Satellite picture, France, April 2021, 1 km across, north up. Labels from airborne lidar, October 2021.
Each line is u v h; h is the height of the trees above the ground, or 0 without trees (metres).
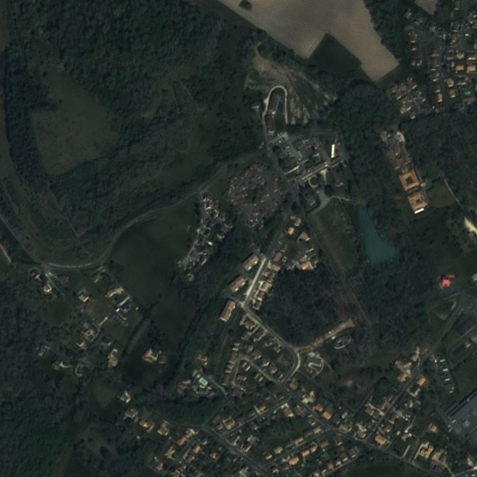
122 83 13
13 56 9
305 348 0
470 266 0
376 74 0
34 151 9
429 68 10
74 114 0
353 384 0
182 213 0
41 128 0
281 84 0
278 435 18
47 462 23
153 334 7
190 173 0
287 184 0
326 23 0
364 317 17
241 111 0
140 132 6
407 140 18
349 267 0
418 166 22
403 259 8
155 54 14
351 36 0
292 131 14
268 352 0
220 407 18
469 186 25
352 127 22
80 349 0
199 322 13
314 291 19
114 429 19
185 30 22
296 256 0
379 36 20
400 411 0
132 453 16
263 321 16
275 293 20
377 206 20
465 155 28
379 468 0
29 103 12
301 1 0
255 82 0
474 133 29
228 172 9
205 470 7
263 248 18
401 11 0
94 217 25
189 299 12
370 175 27
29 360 14
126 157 11
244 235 21
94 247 21
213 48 23
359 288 25
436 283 9
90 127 0
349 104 30
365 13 0
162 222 0
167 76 15
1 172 0
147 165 18
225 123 7
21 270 17
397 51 22
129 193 15
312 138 16
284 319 6
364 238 0
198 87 10
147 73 13
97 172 10
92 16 10
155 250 0
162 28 20
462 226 12
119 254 0
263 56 21
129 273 0
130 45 16
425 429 0
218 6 0
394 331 20
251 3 8
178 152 16
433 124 25
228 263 26
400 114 27
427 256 0
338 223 0
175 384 10
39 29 0
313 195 16
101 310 0
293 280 22
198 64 18
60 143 0
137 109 13
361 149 28
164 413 22
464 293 0
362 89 27
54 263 0
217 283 24
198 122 0
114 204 24
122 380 13
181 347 16
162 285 0
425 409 17
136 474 16
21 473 22
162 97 9
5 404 11
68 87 0
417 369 0
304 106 0
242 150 6
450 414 0
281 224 15
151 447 21
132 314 0
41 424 25
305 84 0
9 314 20
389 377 12
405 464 7
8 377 18
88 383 7
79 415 23
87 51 18
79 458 12
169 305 0
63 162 0
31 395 20
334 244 0
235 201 0
